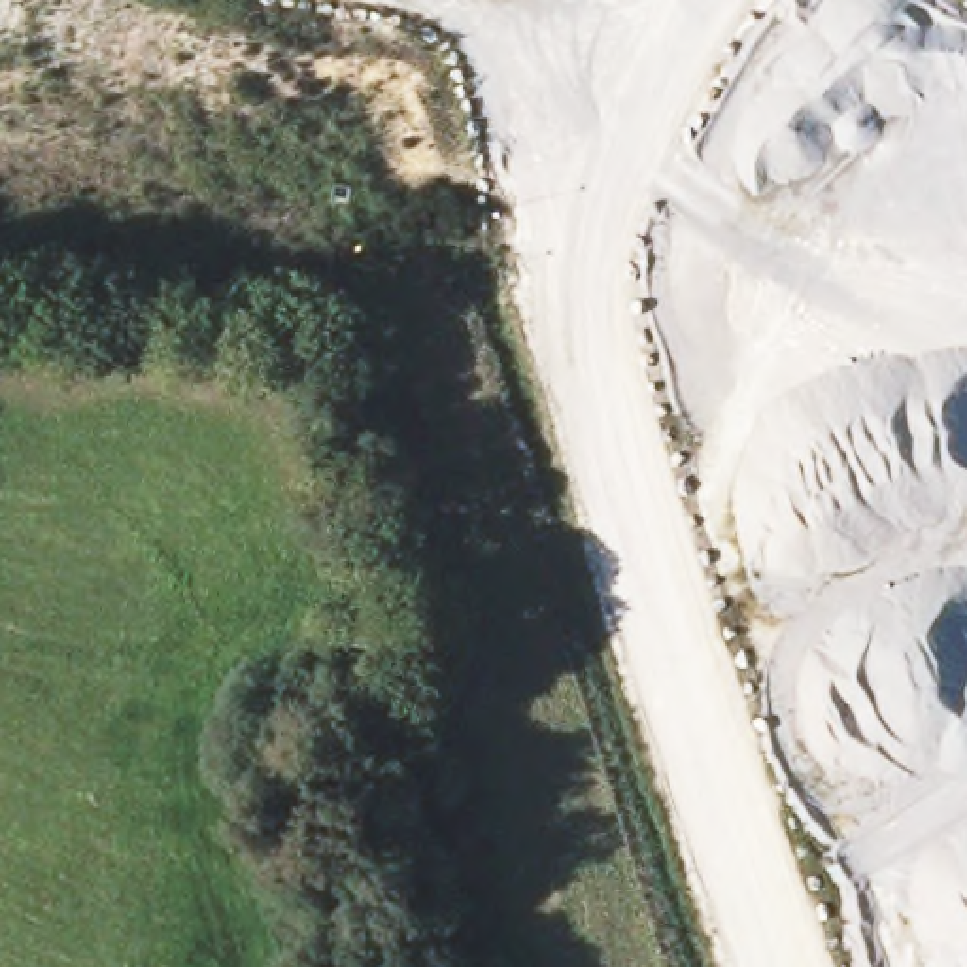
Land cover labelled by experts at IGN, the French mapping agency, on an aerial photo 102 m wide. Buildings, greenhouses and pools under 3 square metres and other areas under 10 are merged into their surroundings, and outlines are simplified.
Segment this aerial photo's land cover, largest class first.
<instances>
[{"label":"pervious surface","instance_id":"1","mask_svg":"<svg viewBox=\"0 0 967 967\"><path fill-rule=\"evenodd\" d=\"M295 11L317 8L321 15H329L340 42H351L363 26H370L378 38H393L400 30L404 11L438 19L446 30H457L476 68V87L491 128V170H484L480 151L442 155L434 147V128L423 106V72L404 60L317 57L276 42H268L261 53H246L242 30L204 38L196 34L193 15L147 8L136 0H0V45L49 38L57 68L94 64L106 79V91L136 87L144 72H159L170 87H200L204 110H227L238 72H261L283 98H295L298 83L314 72L321 79H336L366 94L370 121L385 140V155L389 170L408 185H423L427 178H450L476 189L484 223L468 238L472 253H487L491 268L499 272V295L506 332L521 355L525 374L533 378V400L540 412L544 442L551 446L555 465L567 472V495L574 506V525L597 536V544L589 548L593 582L601 593L612 585V597L619 601V627L612 631V646L627 703L635 706V718L650 748L657 789L669 801L687 888L718 967H835L823 937L827 910L816 903V880L797 873L801 854L786 842V835L801 827L823 846V865L839 888L846 948L854 959L850 967H967V0H280Z\"/></svg>","mask_w":967,"mask_h":967},{"label":"agricultural land","instance_id":"2","mask_svg":"<svg viewBox=\"0 0 967 967\"><path fill-rule=\"evenodd\" d=\"M329 295L355 306L351 336L359 340L370 363L366 397L336 400L329 416L332 423H359L366 434L393 442L389 457H378L366 480L374 476L378 484H397L404 491L400 525L408 521L412 529H423V570L416 574V604L427 627L423 672L434 687L431 729L438 733V752L419 759L404 774L419 782V789L434 801L423 823L427 839H450L457 850L453 869L465 876L457 880V888L468 895L476 910L472 944L484 952H499L514 967H669L665 952L657 948V922L650 918V903L642 891V869L635 865L631 850H619L612 816L601 808H559L567 793L593 789L589 740L582 733L589 725V714L574 672L612 646V631L619 627V601L612 597V585L601 593L593 582L589 548L597 544V536L574 525V506L567 495L551 506H536L529 499L521 457L506 438L502 416L487 400L472 397L476 355L465 329V310H476L491 295H499V272L491 268L487 253H453L450 246H404L397 238L363 249L355 253L351 276H336L325 268L317 280ZM280 389H272L268 382H249L246 348L215 351L208 382L178 378L174 363H140L136 374L117 370L106 378H91L68 366L64 359H53L0 374V967H310L302 952L314 944L317 907L264 876V854L238 850L230 835V812L219 805V797L208 793L196 771V703L204 691L219 687L227 672L223 650L230 646V653L257 665L261 657L287 646L291 635H298L302 612L314 608L317 593L325 589L314 574V551L287 533L283 521L287 506L280 457Z\"/></svg>","mask_w":967,"mask_h":967},{"label":"deciduous trees","instance_id":"3","mask_svg":"<svg viewBox=\"0 0 967 967\"><path fill-rule=\"evenodd\" d=\"M355 306L329 295L317 280L302 272H272L268 280H227L219 268L200 264L193 253L174 257L166 249H140L121 238H68L57 230H38L26 238L0 242V374L53 359H64L68 366L91 378H106L117 370L136 374L140 363H174L178 378L208 382L215 351L246 348L249 382H268L272 389H280V457L287 506L283 521L287 533L314 551V574L325 589L317 593L314 608L302 612L298 635H291L287 646L261 657L257 665L230 653V646L223 650L227 672L219 687L204 691L196 703V771L208 793L219 797V805L230 812V835L238 850L264 854V876L317 907L314 944L302 952L310 967H514L499 952H484L472 944L476 910L468 895L457 888V880L465 876L453 869L457 850L450 839H427L423 823L434 801L419 789V782L404 774L419 759L438 752V733L431 729L434 687L423 672L427 627L416 604V574L423 570V529H412L408 521L400 525L404 491L397 484H378L374 476L366 480L378 457H389L393 442L366 434L359 423H332L329 416L336 400L366 397L370 363L359 340L351 336Z\"/></svg>","mask_w":967,"mask_h":967},{"label":"herbaceous vegetation","instance_id":"4","mask_svg":"<svg viewBox=\"0 0 967 967\"><path fill-rule=\"evenodd\" d=\"M147 8L193 15L196 34L204 38L242 30L246 53H261L268 42H276L317 57L404 60L423 72V106L434 128V147L442 155L480 151L484 170H491V128L476 87V68L457 30H446L438 19L404 11L400 30L393 38H378L370 26H363L351 42H340L329 15H321L317 8L295 11L280 0H136ZM363 151L385 155V140L370 121L366 94L336 79H321L314 72L298 83L295 98H283L261 72H238L227 110H204L200 87H170L159 72H144L136 87L106 91V79L94 64L57 68L49 38L0 45V242L26 238L38 230H57L68 238H121L140 249H166L174 257L193 253L200 264L219 268L227 280H268L272 272H302L317 280L325 268L336 276H351L355 253L363 249H340V238L351 227V204L370 215L382 212L385 196L374 193L370 174L363 170ZM465 329L476 355L472 397L487 400L502 416L506 438L521 457L529 499L536 506H551L567 495V472L555 465L551 446L544 442L540 412L533 400V378L525 374L521 355L506 332L499 295H491L476 310H465ZM589 714V725L582 733L589 740L593 789L567 793L559 808H601L612 816L619 850H631L635 865L642 869V891L650 903V918L657 922V948L665 952L669 967H718L687 888L669 801L657 789L650 748L635 718V706L627 703L612 646L574 672ZM786 842L801 854L797 873L816 880V903L827 910L823 937L835 967H850L854 959L846 948L839 888L823 865V846L801 827L786 835Z\"/></svg>","mask_w":967,"mask_h":967},{"label":"brushwood","instance_id":"5","mask_svg":"<svg viewBox=\"0 0 967 967\"><path fill-rule=\"evenodd\" d=\"M363 170L370 174L374 193L385 196L382 212L370 215L351 204V227L340 238V249H363L397 238L404 246H450L453 253H472L468 238L484 223L476 189L450 178H427L423 185H408L389 170L385 155L363 151Z\"/></svg>","mask_w":967,"mask_h":967}]
</instances>
